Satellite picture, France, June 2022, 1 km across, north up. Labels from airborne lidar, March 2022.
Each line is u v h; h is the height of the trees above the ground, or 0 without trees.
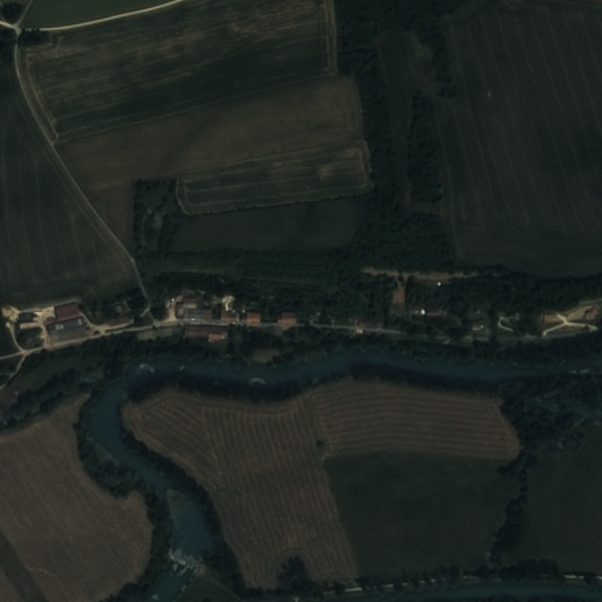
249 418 0
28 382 0
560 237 0
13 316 0
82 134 0
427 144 9
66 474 0
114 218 0
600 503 0
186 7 0
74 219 0
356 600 0
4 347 0
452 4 6
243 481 0
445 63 7
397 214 7
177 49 0
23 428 0
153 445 0
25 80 0
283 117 0
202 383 35
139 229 12
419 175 14
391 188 9
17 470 0
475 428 0
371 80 6
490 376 0
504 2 0
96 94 0
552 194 0
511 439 0
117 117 0
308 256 6
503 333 0
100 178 0
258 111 0
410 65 0
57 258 0
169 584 0
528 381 18
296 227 0
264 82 0
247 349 22
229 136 0
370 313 7
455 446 0
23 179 0
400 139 0
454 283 13
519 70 0
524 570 30
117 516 0
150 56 0
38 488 0
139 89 0
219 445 0
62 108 0
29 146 0
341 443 0
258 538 0
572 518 0
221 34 0
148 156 0
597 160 0
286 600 0
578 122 0
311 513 0
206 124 0
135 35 0
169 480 0
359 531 0
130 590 19
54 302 0
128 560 0
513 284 20
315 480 0
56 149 0
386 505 0
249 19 0
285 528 0
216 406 0
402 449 0
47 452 0
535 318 0
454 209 0
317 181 0
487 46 0
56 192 0
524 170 0
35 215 0
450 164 0
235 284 7
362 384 0
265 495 0
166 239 9
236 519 0
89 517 0
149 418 0
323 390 0
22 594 0
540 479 0
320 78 0
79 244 0
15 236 0
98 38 0
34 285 0
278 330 0
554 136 0
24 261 0
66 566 0
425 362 0
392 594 0
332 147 0
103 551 0
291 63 0
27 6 0
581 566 0
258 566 0
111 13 0
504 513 0
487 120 0
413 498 0
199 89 0
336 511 0
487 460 0
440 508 0
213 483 0
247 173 0
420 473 0
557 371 0
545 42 0
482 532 0
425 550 0
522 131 0
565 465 0
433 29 8
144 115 0
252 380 0
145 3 0
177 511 0
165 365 0
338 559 0
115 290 0
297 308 15
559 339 0
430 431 0
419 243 7
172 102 0
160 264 0
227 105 0
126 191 0
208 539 0
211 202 0
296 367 0
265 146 0
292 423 0
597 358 0
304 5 0
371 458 0
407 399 0
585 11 0
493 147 0
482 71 0
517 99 0
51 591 0
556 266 0
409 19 8
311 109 0
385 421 0
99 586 0
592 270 0
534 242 0
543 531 0
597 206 0
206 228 0
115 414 0
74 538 0
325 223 0
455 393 0
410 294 14
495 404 0
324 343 16
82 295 0
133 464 0
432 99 0
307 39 0
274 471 0
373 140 11
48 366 0
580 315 0
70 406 0
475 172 0
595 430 0
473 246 0
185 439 0
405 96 0
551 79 0
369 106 7
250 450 0
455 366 0
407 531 0
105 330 0
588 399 22
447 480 0
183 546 0
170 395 0
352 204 0
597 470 0
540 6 0
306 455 0
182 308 0
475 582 0
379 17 7
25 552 0
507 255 0
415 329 15
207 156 0
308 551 0
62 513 0
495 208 0
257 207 6
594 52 0
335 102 0
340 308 6
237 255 10
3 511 0
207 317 0
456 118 0
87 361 0
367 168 0
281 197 0
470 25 0
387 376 23
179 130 0
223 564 16
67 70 0
